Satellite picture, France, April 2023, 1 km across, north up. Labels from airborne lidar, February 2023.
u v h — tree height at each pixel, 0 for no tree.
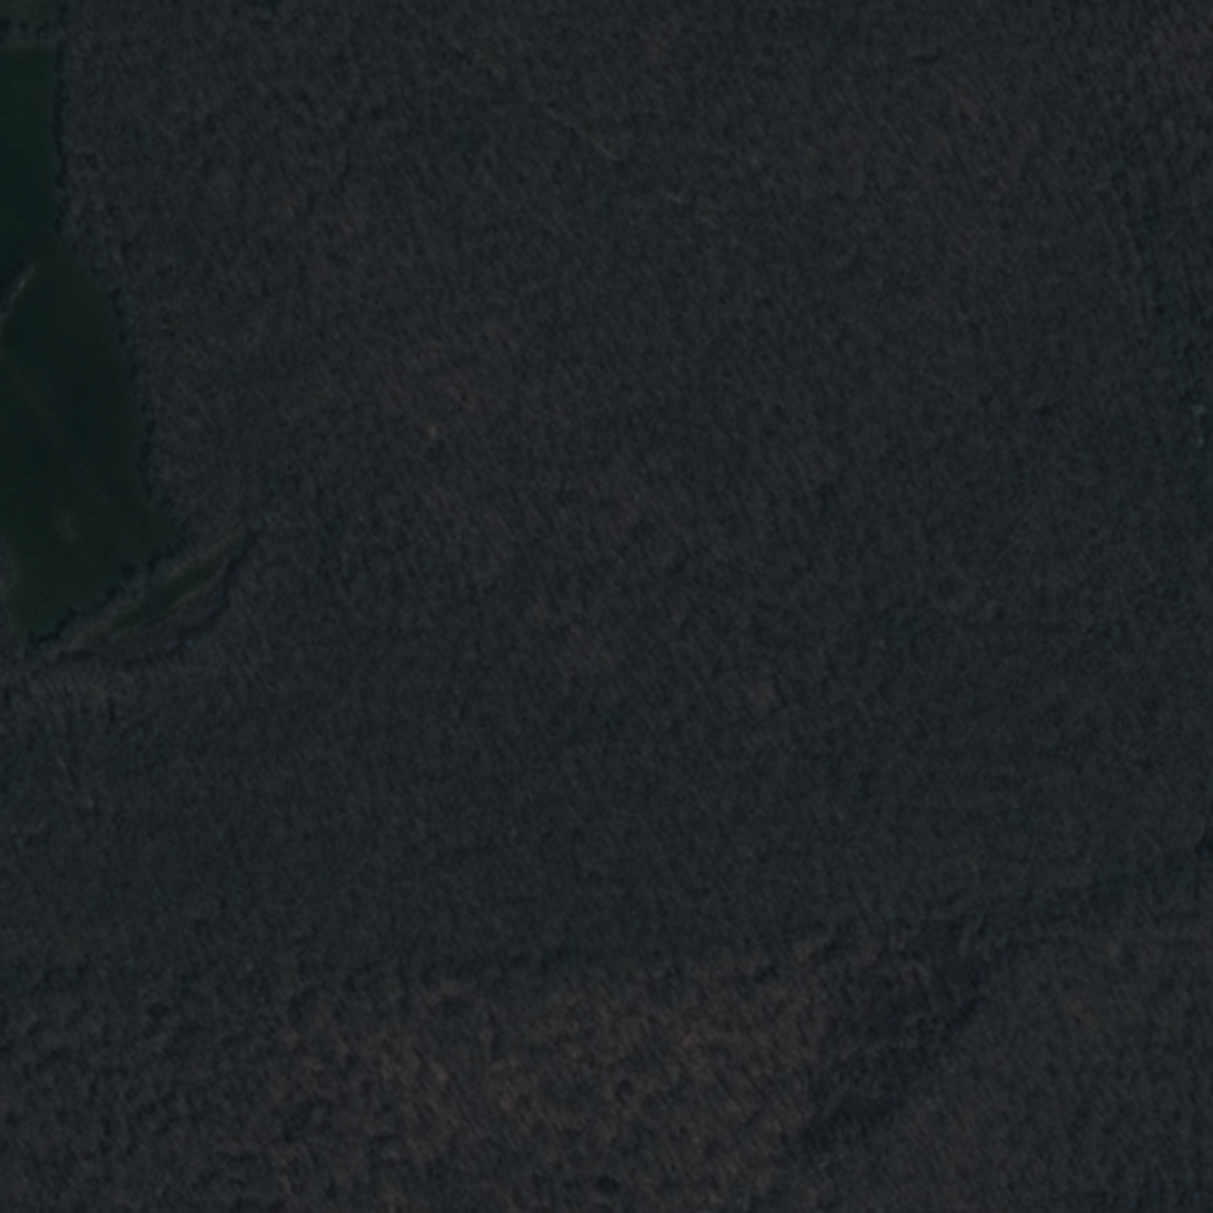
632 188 17
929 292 20
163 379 13
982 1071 24
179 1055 15
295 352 15
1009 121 15
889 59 17
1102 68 11
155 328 14
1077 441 15
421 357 20
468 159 13
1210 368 19
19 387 0
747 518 20
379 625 20
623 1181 17
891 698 24
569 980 15
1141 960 25
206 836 20
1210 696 14
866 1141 19
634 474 15
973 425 19
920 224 17
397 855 21
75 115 18
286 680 22
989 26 19
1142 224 10
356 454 21
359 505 18
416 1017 21
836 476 22
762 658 22
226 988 21
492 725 22
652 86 20
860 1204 27
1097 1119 21
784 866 23
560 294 20
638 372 19
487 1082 24
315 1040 18
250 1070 19
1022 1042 22
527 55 11
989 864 16
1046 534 19
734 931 22
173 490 10
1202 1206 24
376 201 17
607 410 19
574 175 13
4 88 0
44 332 0
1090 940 23
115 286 18
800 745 17
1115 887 22
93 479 0
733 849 26
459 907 22
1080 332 22
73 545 0
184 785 21
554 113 12
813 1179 18
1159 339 22
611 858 27
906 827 17
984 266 19
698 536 27
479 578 21
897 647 23
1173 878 22
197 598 0
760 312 20
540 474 23
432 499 18
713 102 19
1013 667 24
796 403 21
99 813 22
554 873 22
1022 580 23
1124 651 16
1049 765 21
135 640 0
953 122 19
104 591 0
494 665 21
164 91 19
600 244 18
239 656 22
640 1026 22
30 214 0
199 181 14
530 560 18
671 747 12
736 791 20
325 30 19
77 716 12
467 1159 22
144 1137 22
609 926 20
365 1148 18
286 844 14
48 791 21
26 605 0
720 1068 22
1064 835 25
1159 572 15
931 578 19
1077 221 23
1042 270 16
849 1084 19
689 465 20
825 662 12
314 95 19
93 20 12
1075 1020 23
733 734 20
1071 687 24
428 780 18
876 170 18
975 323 26
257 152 13
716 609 20
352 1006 21
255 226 14
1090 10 20
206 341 18
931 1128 17
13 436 0
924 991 17
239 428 14
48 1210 20
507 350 13
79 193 16
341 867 18
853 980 22
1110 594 21
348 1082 22
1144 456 17
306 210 9
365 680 22
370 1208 22
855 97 19
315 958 23
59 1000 23
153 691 17
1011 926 12
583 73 18
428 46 19
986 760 16
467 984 23
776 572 22
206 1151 18
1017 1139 24
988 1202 22
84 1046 20
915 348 18
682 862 21
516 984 19
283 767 23
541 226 15
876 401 23
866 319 15
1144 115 19
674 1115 20
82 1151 22
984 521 24
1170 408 15
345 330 17
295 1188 19
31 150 0
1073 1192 21
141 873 21
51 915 15
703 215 14
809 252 13
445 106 17
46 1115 22
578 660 26
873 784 20
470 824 24
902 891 21
